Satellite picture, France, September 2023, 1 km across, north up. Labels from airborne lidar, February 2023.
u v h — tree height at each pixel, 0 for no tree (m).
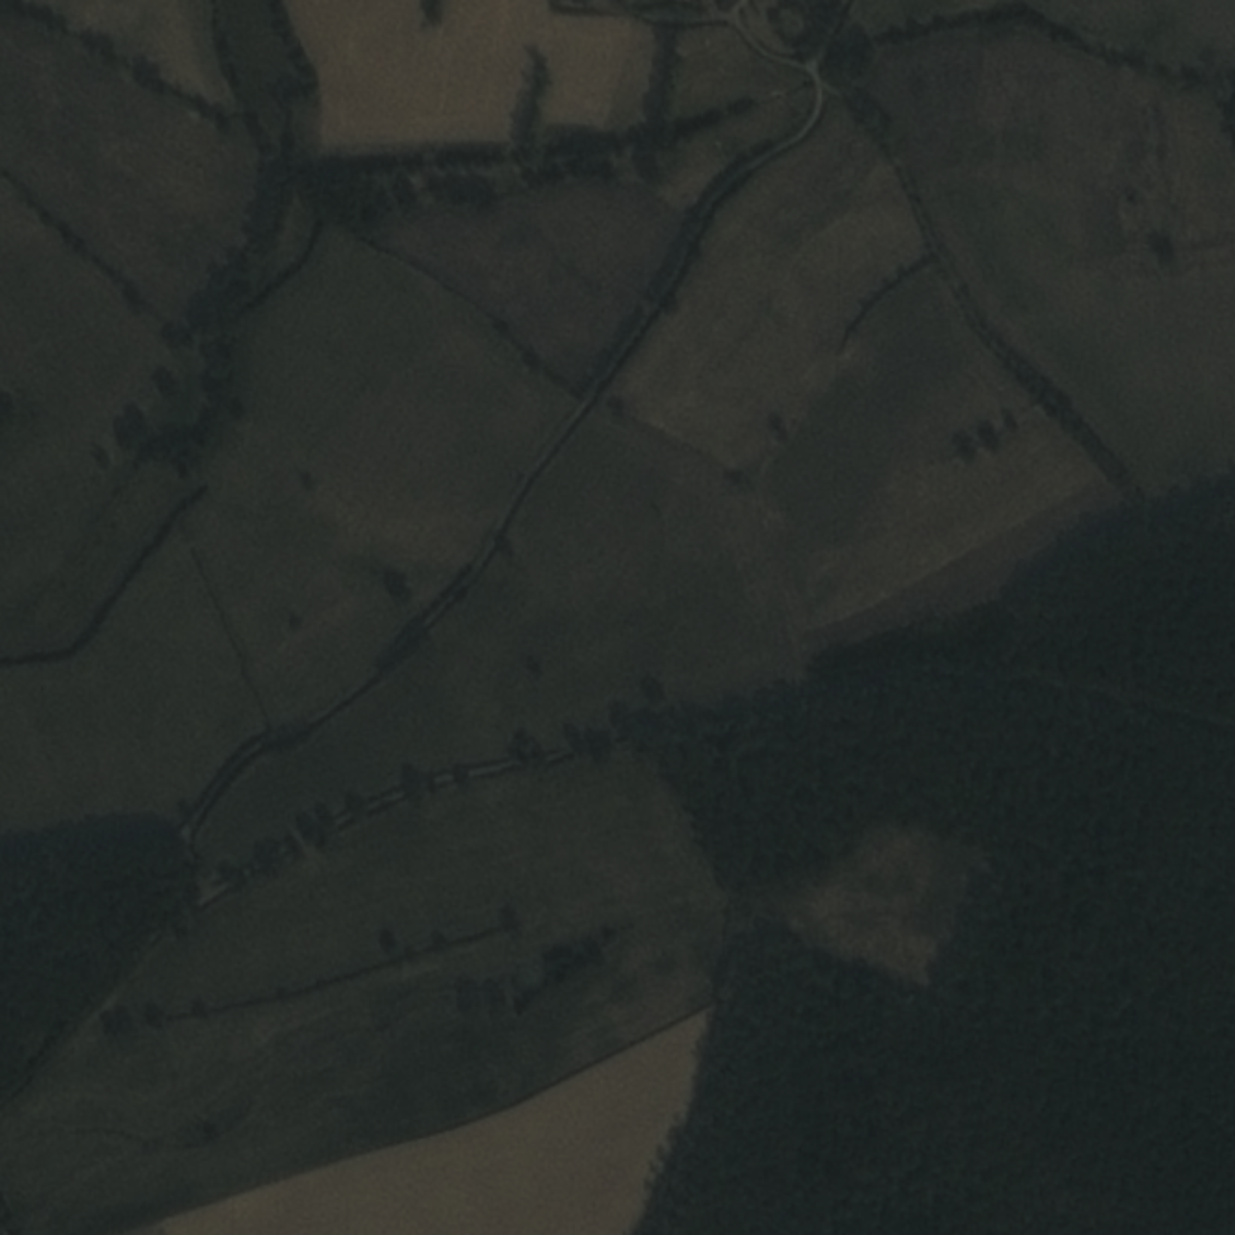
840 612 0
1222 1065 20
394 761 0
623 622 0
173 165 0
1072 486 0
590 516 0
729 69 0
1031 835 17
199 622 0
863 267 0
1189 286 0
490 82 0
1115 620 21
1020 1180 14
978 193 0
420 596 0
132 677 0
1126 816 21
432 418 0
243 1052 0
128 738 0
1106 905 15
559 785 0
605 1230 0
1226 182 0
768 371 0
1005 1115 11
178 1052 0
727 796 22
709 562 0
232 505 0
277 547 0
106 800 0
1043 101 0
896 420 0
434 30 0
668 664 0
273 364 0
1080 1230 12
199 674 0
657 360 0
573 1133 0
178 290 0
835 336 0
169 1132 0
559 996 0
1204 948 18
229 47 14
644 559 0
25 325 0
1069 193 0
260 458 0
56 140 0
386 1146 0
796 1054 23
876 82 0
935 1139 13
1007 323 0
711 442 0
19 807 0
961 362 0
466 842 0
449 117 0
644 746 22
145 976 0
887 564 0
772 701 17
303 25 0
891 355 0
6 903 26
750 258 0
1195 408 0
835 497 0
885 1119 16
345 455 0
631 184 0
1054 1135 15
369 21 0
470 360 0
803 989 23
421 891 0
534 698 0
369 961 0
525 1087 0
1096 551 23
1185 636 21
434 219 0
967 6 0
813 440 0
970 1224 16
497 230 0
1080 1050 18
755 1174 21
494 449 0
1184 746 18
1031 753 20
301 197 8
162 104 0
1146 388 0
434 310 0
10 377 0
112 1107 0
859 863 0
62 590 0
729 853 21
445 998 0
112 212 0
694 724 21
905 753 18
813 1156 21
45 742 0
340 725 0
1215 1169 19
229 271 7
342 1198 0
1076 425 12
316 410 0
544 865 0
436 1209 0
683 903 0
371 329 0
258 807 0
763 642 0
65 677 0
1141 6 0
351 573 0
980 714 21
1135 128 0
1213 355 0
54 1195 0
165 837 21
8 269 0
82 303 0
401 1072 0
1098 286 0
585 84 0
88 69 0
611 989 0
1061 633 19
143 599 0
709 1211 18
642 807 0
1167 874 11
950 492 0
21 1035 20
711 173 0
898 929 0
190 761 0
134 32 0
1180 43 0
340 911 0
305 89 14
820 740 22
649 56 0
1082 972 12
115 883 23
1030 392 9
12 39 0
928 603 0
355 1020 0
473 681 0
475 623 0
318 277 0
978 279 0
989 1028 18
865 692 19
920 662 14
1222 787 16
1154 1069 20
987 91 0
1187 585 14
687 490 0
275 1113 0
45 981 24
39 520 0
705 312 0
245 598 0
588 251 0
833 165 0
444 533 0
